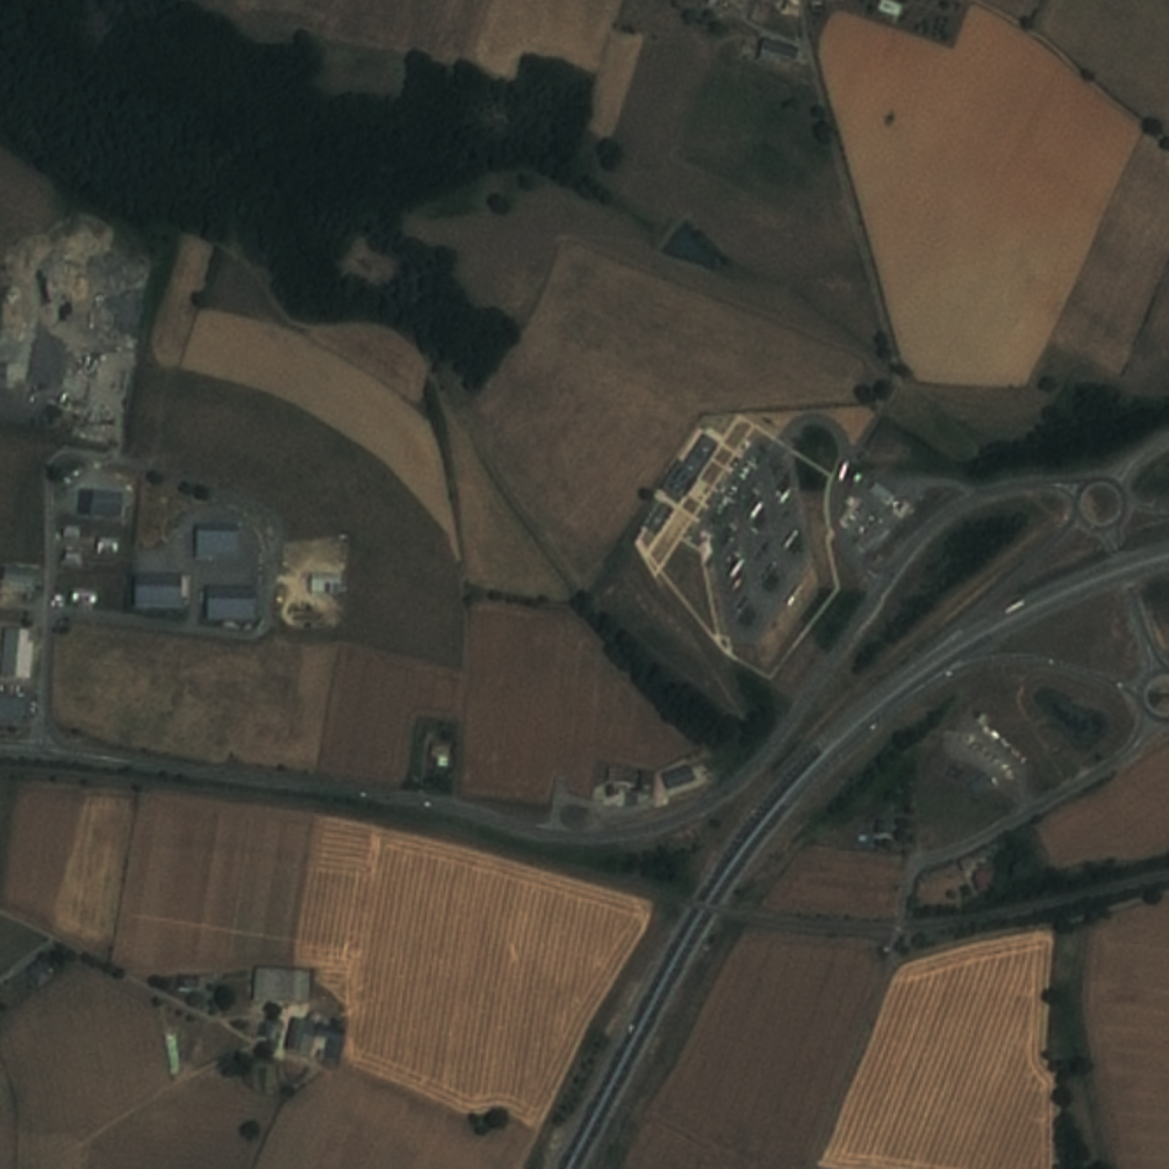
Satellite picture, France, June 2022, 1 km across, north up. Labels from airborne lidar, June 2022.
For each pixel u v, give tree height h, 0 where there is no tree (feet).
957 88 0
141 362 0
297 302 26
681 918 0
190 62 36
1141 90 0
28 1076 0
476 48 0
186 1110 0
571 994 0
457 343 52
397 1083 0
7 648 0
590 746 0
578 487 0
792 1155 0
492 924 0
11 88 66
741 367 0
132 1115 0
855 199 0
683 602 0
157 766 0
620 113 0
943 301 0
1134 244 0
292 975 0
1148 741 0
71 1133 0
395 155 79
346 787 0
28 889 0
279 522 0
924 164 0
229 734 0
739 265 0
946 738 0
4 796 0
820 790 0
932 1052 0
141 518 0
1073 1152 56
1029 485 0
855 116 0
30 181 0
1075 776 0
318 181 63
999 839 20
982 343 0
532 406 0
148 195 46
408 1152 0
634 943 0
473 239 0
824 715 0
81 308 0
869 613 0
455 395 0
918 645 0
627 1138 0
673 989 0
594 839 0
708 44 0
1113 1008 0
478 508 0
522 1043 0
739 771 0
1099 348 0
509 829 0
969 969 0
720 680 0
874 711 0
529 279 0
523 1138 0
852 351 0
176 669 0
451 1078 0
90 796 0
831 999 0
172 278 0
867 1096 0
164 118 70
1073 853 0
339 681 0
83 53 42
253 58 54
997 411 0
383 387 0
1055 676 0
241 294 0
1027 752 0
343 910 0
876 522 0
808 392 0
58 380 0
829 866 0
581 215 0
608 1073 0
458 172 54
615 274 0
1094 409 28
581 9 0
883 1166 0
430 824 0
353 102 37
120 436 0
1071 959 0
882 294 0
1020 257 0
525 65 27
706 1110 0
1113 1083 0
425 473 0
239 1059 54
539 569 0
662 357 0
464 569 0
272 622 0
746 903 0
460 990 0
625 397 0
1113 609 0
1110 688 0
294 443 0
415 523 0
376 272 0
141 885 0
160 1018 0
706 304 0
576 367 0
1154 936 0
